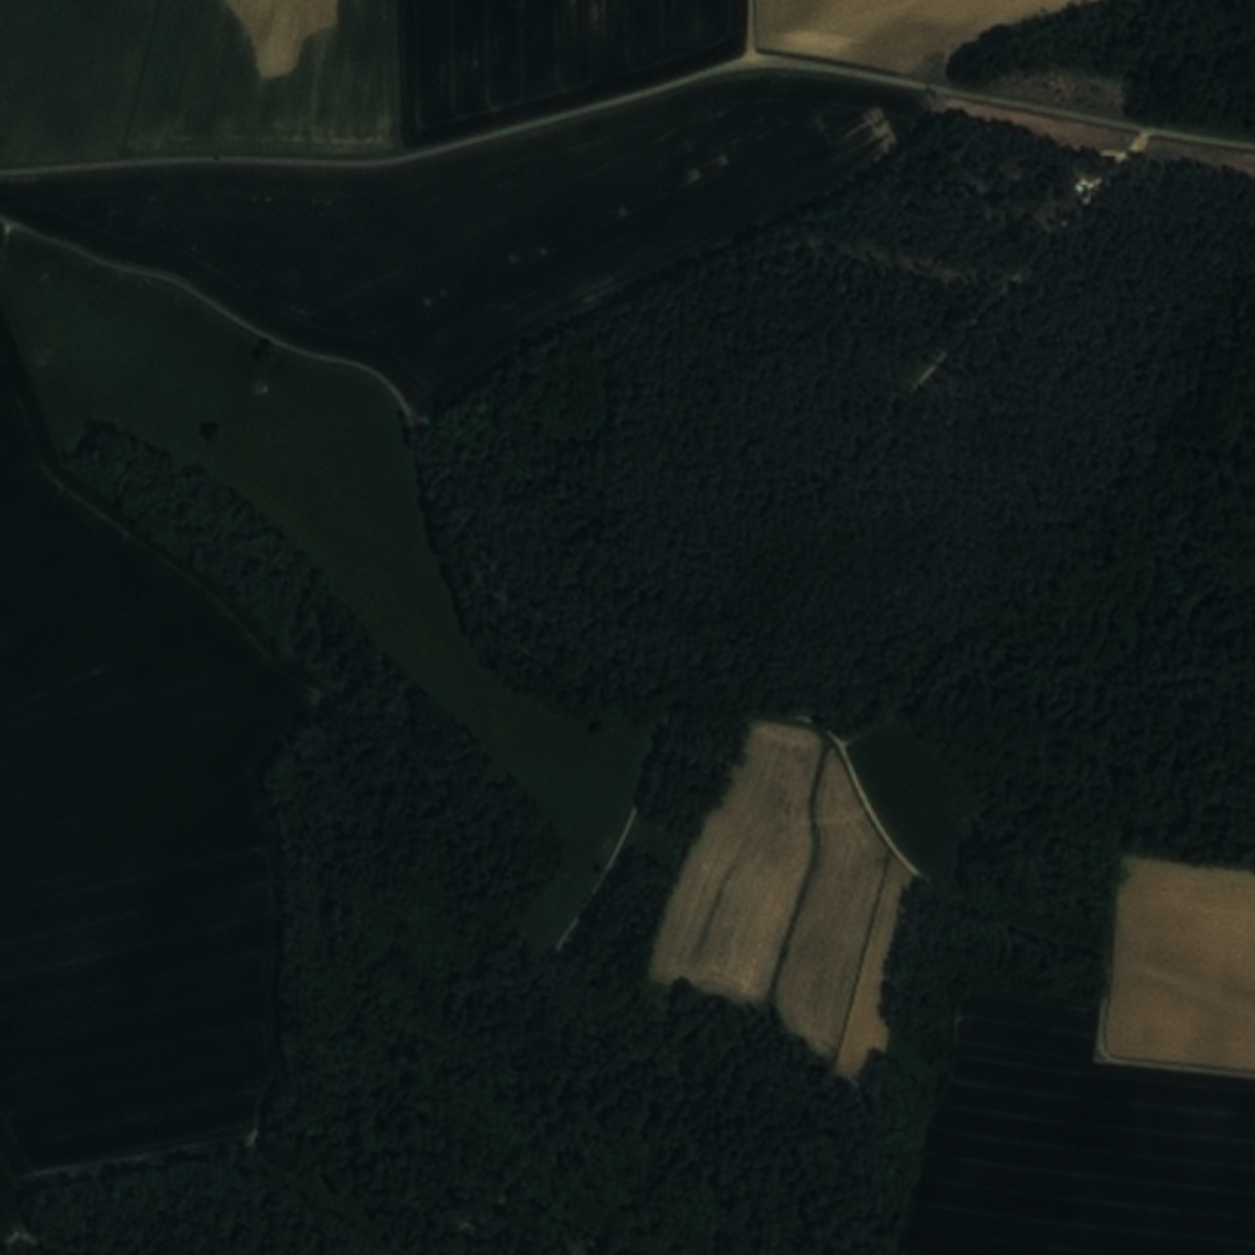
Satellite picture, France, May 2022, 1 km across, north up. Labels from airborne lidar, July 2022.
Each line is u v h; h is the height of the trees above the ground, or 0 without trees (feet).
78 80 0
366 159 0
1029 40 67
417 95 0
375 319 0
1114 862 72
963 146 50
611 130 0
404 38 0
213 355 0
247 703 0
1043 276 61
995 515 62
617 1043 73
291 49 0
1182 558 67
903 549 52
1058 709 73
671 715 69
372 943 57
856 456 62
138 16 0
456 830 73
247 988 0
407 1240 79
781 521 53
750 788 0
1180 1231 0
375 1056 55
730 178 0
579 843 0
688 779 76
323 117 0
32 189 0
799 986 0
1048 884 95
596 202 0
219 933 0
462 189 0
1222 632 35
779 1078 98
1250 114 57
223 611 0
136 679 0
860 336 66
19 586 0
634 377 74
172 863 0
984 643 57
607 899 63
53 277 0
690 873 0
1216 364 79
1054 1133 0
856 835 0
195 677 0
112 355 0
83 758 0
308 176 0
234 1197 79
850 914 0
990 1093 0
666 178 0
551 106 0
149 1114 0
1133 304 75
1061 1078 0
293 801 39
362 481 0
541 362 47
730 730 65
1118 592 20
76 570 0
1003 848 71
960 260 85
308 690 0
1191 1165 0
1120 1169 0
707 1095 62
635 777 0
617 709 72
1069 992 58
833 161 0
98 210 0
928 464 62
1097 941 27
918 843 0
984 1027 0
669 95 0
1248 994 0
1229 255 70
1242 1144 0
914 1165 67
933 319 54
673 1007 62
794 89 0
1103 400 74
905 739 0
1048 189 55
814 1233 82
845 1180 77
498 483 30
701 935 0
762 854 0
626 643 76
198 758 0
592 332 50
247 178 0
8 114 0
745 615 70
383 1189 75
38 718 0
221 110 0
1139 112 66
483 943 45
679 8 0
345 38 0
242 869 0
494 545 70
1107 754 37
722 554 58
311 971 55
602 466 74
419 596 0
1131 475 71
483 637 60
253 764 0
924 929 94
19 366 0
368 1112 93
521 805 85
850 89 0
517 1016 80
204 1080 0
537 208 0
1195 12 56
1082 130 0
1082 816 52
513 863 71
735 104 0
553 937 0
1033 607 46
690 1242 68
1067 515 76
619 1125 96
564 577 81
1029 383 58
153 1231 82
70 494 0
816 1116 94
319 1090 86
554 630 72
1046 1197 0
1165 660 77
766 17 0
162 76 0
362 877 51
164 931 0
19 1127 0
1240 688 41
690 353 68
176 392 0
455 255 0
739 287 68
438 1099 35
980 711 62
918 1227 0
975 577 75
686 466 59
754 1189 68
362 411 0
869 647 75
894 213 80
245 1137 0
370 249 0
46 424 0
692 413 71
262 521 46
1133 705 57
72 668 0
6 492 0
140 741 0
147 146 0
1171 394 63
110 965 0
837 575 50
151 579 0
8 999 0
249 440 0
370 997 40
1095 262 52
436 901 53
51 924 0
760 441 78
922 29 0
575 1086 38
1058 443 65
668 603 80
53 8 0
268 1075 0
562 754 0
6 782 0
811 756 0
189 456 0
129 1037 0
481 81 0
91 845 0
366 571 0
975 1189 0
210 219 0
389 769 89
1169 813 40
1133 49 56
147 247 0
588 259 0
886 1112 90
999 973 68
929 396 66
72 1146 0
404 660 0
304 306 0
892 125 0
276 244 0
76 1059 0
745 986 0
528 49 0
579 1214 31
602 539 74
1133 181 48
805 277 50
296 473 0
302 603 66
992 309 66
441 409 57
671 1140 95
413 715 88
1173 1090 0
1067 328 63
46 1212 78
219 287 0
